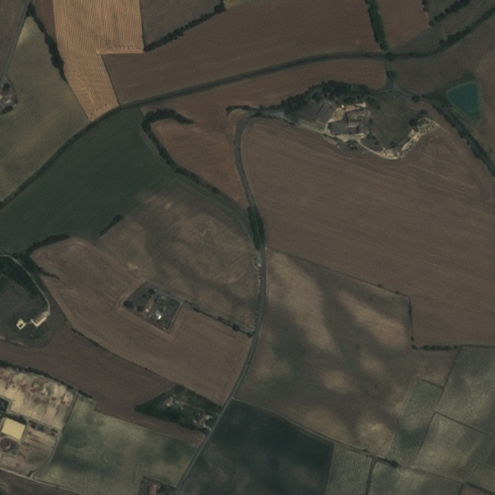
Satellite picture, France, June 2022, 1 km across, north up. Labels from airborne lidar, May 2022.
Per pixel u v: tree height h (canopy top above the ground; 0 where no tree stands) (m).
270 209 0
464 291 0
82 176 0
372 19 15
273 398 0
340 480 0
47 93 0
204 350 0
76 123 0
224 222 0
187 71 0
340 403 0
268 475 0
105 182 0
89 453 0
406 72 0
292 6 0
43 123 0
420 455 0
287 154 0
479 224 0
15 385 0
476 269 0
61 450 0
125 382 0
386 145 0
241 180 0
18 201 0
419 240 0
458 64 0
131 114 0
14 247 0
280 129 0
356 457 0
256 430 0
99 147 0
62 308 0
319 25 0
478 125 0
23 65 0
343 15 0
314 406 0
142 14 0
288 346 0
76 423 0
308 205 0
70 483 0
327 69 0
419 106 0
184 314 0
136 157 0
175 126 0
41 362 0
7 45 0
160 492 10
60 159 0
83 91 0
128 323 0
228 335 0
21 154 0
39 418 0
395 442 0
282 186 0
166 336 0
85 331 0
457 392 0
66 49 0
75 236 0
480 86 0
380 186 0
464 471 0
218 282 0
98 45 0
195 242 0
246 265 0
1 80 0
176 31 12
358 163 0
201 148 0
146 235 0
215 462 0
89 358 0
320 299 0
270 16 0
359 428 0
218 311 0
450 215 0
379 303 0
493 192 0
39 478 0
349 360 0
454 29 0
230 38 0
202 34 0
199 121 0
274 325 0
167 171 0
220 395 0
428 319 0
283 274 0
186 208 0
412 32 0
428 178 0
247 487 0
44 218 0
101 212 0
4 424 0
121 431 0
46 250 0
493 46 0
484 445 0
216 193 9
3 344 0
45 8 0
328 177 0
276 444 0
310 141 0
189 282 0
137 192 0
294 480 0
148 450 0
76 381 0
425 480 0
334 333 0
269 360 0
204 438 0
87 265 0
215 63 0
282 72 0
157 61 0
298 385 0
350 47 0
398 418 0
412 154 0
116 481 0
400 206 0
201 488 0
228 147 0
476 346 0
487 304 0
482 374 0
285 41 0
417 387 0
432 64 0
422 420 0
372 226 0
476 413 0
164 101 0
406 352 0
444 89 0
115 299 0
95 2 0
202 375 0
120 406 0
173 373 0
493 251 0
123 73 0
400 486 0
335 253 0
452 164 0
